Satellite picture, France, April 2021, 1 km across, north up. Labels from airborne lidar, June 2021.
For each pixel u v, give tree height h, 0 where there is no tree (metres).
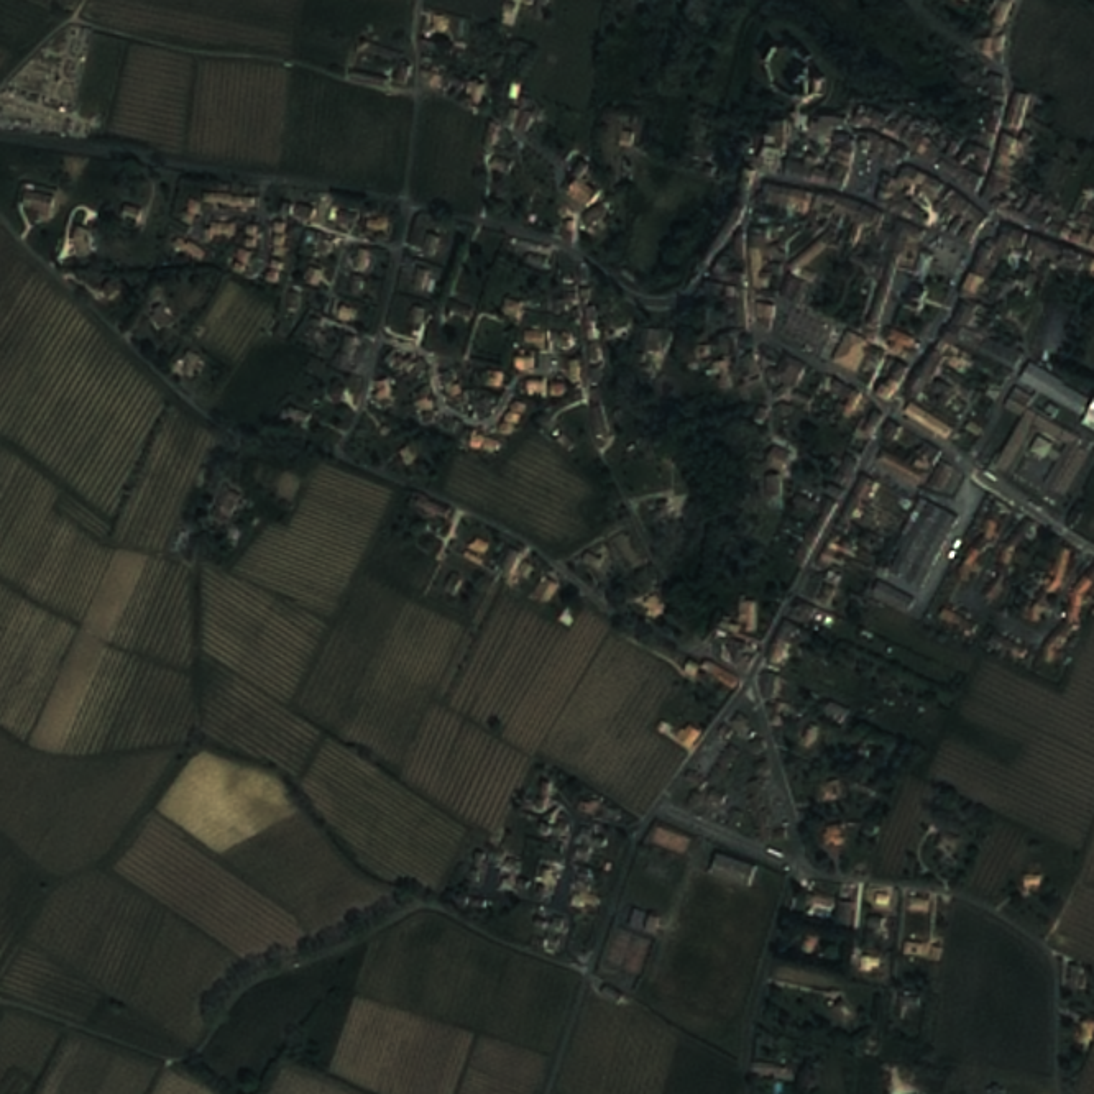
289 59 0
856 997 0
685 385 0
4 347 0
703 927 0
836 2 0
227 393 0
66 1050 0
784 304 0
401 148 0
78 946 0
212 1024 16
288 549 0
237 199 0
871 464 0
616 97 0
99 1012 0
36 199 0
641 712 0
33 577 0
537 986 0
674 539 19
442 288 9
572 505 0
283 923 0
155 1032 0
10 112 0
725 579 10
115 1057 0
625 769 0
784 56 0
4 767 0
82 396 0
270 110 0
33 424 0
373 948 0
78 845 0
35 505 0
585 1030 0
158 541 0
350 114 0
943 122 7
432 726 0
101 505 0
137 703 0
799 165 0
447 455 16
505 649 0
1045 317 0
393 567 0
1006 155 0
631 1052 0
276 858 0
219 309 0
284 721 0
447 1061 0
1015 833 0
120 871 0
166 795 0
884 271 0
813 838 11
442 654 0
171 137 0
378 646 0
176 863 0
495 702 0
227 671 0
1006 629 0
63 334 0
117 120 0
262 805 0
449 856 0
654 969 0
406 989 0
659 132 10
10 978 0
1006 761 0
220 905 0
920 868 5
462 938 0
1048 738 0
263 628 0
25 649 0
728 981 0
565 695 0
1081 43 0
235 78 0
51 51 0
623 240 10
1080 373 12
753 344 10
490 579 9
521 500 0
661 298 0
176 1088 0
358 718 0
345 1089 0
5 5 0
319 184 0
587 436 7
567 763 0
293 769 0
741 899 0
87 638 0
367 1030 0
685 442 27
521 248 0
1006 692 0
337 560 0
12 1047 0
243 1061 0
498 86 9
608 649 0
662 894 0
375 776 0
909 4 18
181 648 0
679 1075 0
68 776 0
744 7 16
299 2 0
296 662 0
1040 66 0
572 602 14
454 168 0
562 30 0
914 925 0
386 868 0
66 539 0
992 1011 0
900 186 0
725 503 26
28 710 0
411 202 0
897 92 16
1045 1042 0
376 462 9
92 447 0
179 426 0
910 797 0
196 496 0
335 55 0
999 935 0
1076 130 0
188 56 0
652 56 17
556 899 0
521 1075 0
